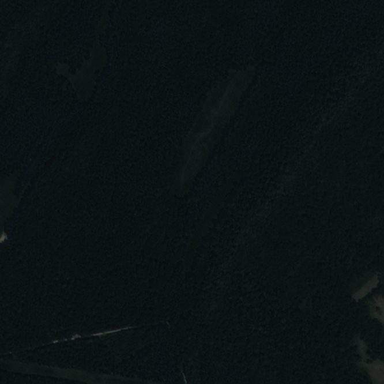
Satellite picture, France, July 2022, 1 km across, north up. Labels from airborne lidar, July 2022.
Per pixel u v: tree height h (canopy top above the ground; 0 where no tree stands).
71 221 17
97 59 0
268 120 20
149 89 24
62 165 17
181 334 19
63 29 18
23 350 13
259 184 24
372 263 10
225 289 12
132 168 17
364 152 21
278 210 15
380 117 22
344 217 19
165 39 26
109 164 20
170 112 21
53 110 30
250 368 18
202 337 15
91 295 19
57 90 25
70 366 12
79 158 20
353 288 0
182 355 18
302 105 21
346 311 17
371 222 15
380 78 19
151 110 21
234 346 19
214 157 15
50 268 15
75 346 14
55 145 20
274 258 15
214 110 0
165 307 18
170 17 24
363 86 18
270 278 17
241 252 12
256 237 11
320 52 25
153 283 24
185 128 22
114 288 16
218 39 21
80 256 15
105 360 10
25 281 20
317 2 25
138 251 17
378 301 0
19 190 23
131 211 13
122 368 15
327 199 15
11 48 18
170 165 15
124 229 16
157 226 16
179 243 18
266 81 24
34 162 32
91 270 17
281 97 23
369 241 21
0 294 16
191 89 21
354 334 8
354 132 18
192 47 16
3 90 19
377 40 30
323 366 15
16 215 15
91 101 17
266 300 12
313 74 24
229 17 24
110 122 21
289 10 19
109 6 0
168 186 15
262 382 14
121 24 18
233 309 10
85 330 16
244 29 28
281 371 16
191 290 22
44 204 17
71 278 19
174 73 17
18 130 26
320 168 18
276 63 18
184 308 21
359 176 17
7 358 10
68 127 24
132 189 19
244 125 21
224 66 19
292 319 12
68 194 18
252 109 23
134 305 19
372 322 11
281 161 21
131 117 20
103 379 0
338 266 19
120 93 18
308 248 21
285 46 21
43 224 14
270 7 23
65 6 27
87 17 30
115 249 17
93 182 22
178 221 18
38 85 17
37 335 15
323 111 21
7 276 15
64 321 21
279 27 9
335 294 21
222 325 17
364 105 17
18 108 13
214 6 21
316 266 14
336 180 16
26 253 19
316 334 13
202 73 19
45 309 23
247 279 15
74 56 29
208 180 26
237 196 22
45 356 17
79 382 10
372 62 23
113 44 20
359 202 10
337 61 28
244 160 16
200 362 12
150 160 22
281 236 18
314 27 25
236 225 9
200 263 20
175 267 18
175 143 17
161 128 19
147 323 16
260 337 16
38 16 17
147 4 12
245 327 17
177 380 12
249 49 26
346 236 14
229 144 20
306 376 15
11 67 20
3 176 11
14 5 20
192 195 21
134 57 21
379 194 19
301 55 24
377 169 19
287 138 20
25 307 22
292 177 10
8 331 16
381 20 22
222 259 17
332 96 22
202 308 17
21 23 18
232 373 22
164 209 19
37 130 24
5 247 21
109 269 15
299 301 7
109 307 16
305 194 17
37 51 19
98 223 17
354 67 30
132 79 23
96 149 21
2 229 0
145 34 22
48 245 15
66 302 16
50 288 17
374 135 16
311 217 18
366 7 28
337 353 19
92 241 18
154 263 15
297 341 16
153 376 21
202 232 0
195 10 24
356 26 29
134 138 15
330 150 16
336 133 18
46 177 19
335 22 22
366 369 0
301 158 14
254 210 22
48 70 24
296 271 17
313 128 21
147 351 22
